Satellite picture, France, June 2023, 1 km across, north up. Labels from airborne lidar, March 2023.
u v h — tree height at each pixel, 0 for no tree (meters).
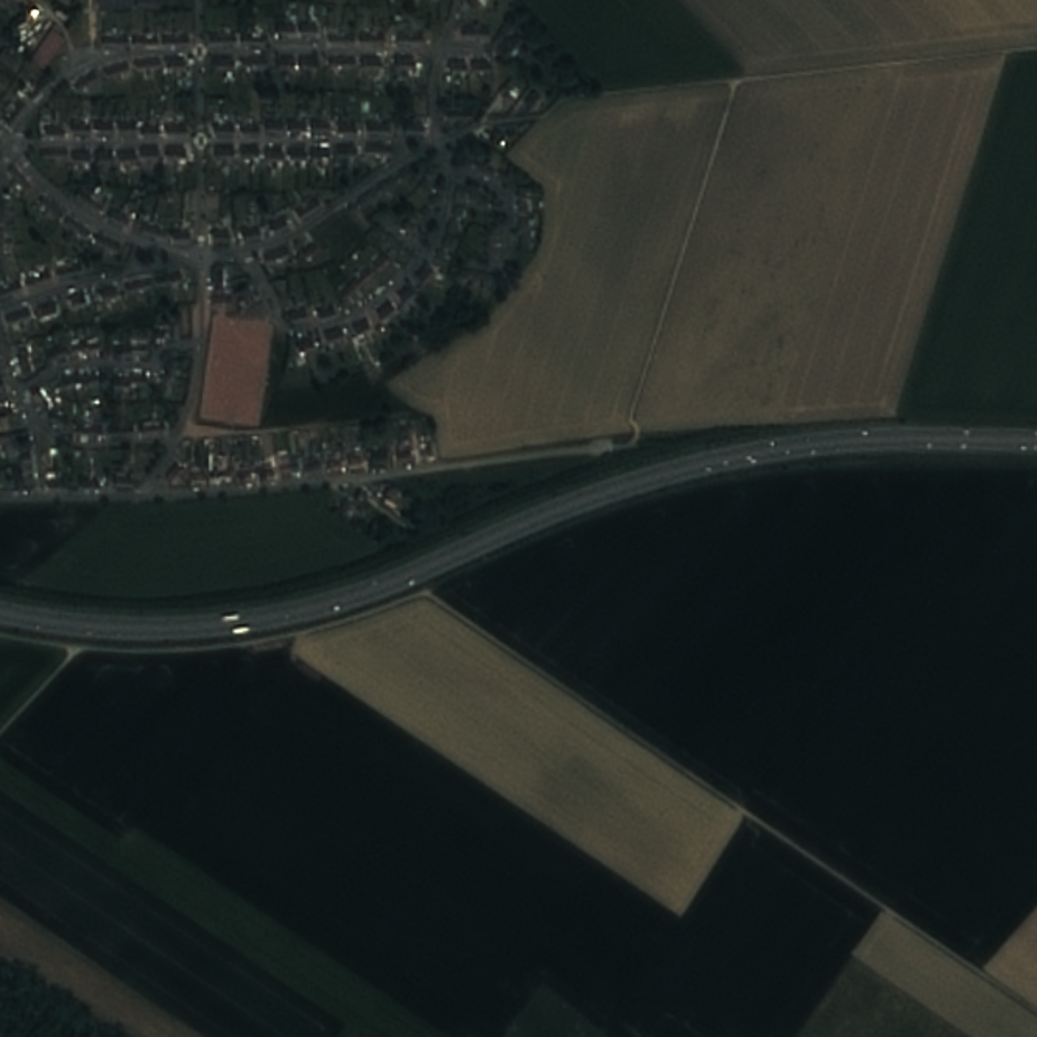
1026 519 0
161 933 0
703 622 0
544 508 0
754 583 0
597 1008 0
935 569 0
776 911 0
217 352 0
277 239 0
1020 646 0
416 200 0
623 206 0
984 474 0
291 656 0
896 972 0
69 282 0
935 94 0
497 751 0
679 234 0
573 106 0
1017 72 0
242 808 0
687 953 0
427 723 0
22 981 19
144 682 0
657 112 0
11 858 0
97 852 0
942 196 0
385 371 0
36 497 0
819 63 0
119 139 0
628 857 0
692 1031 0
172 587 0
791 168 0
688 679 0
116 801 0
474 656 0
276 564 0
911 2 0
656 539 0
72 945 0
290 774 0
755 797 0
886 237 0
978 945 0
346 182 12
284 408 0
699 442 0
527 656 0
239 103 0
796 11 0
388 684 0
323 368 9
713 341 0
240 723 0
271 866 0
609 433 0
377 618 0
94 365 0
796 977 0
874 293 0
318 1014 0
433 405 0
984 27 0
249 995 0
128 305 0
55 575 0
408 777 0
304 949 0
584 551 0
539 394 0
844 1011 0
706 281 0
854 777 0
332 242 0
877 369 0
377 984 0
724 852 0
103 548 0
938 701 0
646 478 0
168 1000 0
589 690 0
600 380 0
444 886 0
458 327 5
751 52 0
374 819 0
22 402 0
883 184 0
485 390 0
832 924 0
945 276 0
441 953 0
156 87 0
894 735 0
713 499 0
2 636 0
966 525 0
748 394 0
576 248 0
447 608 0
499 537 0
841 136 0
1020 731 0
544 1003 0
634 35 0
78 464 0
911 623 0
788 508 0
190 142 0
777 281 0
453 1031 0
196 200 0
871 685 0
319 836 0
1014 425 0
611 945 0
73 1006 18
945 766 0
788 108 0
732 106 0
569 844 0
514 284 12
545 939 0
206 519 0
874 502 0
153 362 0
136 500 0
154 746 0
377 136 0
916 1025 0
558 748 0
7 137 0
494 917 0
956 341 0
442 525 9
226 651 0
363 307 0
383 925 0
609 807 0
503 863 0
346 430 0
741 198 0
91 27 0
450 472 0
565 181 0
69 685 0
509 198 0
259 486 0
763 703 0
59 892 0
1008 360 0
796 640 0
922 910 0
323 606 0
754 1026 0
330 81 0
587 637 0
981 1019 0
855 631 0
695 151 0
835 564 0
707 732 0
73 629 0
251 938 0
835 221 0
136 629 0
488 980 0
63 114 0
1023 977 0
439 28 0
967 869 0
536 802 0
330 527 0
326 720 0
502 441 0
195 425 0
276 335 0
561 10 0
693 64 0
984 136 0
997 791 0
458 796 0
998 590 0
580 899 0
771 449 0
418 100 0
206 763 0
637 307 0
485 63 0
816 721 0
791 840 0
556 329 0
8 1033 11
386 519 6
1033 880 0
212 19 0
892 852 0
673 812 0
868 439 0
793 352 0
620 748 0
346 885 0
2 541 0
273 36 0
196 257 0
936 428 0
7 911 0
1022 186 0
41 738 0
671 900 0
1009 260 0
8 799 0
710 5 0
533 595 0
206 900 0
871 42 0
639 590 0
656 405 0
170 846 0
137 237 0
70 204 0
